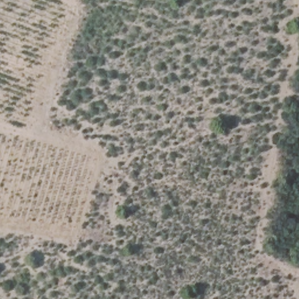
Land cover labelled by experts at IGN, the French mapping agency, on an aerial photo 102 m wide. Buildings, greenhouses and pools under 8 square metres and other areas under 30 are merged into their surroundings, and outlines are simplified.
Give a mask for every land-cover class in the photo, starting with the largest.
<instances>
[{"label":"herbaceous vegetation","instance_id":"1","mask_svg":"<svg viewBox=\"0 0 299 299\"><path fill-rule=\"evenodd\" d=\"M176 4L181 6L179 13L183 14V18L175 19L172 15L161 14L157 9L147 6L140 8L139 13L153 14L157 16V20L137 18L135 21H124L127 32L111 36L114 39L112 50L117 58L105 54L104 57L93 56L88 61L85 58L74 60L70 51L67 55V65L70 68L69 82L62 84L64 92L58 104L67 106L68 110H74L76 113L72 119L54 120L53 123L57 130L72 125L75 130L83 133L84 139H99V145L102 147L107 149L106 155L111 158L134 152L135 149H141L142 152L141 157H135L127 167L123 161L118 162L119 169L131 176L135 186L132 194L127 193V182L118 188V192L126 200L123 206L119 202L116 203L117 216L121 217L117 227L111 224L109 214H99V208L109 206L112 194L100 192L99 183H96L92 192L96 197L91 201L90 213L85 215L86 221L82 225V235L75 250H65L67 245L51 241L30 244L29 239H33V236L8 234L0 237V299H295L293 291H290L287 285L291 280L295 281V277L292 274L279 276V269H267L257 256L266 253L263 249L255 248L260 194L249 192L246 187H267L266 180L260 175L264 161L262 153L271 149L267 133L276 130L277 126L256 125V121L277 120V113L272 111L274 105L271 99L278 98L279 86L285 81L287 71L291 68V64L285 65L281 61L288 57L291 46H283L276 39L279 21L292 14V9L284 5L285 0H175Z\"/></svg>","mask_w":299,"mask_h":299},{"label":"vineyard","instance_id":"2","mask_svg":"<svg viewBox=\"0 0 299 299\"><path fill-rule=\"evenodd\" d=\"M64 18L61 0H0V113L6 112V117H11L16 102L27 93H32L33 84L21 86L9 83L19 82V78L11 76L12 70L26 65L32 68L33 65H41L37 61L41 56L37 51L46 49L47 46L35 43V47L23 46L21 41H26V36L30 33L39 35L36 40L39 41L49 37L53 29L58 27V20ZM107 149L102 147H86L84 153H77L69 151L68 147H54L29 138L20 139L19 135L7 138L4 133H0V237L8 234L33 236V239H29L30 244L51 241L67 245L65 250H75L82 235V225L86 221L85 215L90 213L91 201L96 197L92 192L96 183H99L100 192L112 194L109 206L99 208V214H109L111 224L117 227L121 217L117 216L116 203L119 202L123 206L126 200L118 192V188L127 182V193L132 194L135 186L131 176L119 169L118 162L123 161L127 167L135 157H141L142 152L141 149H135L134 152L111 158L106 155Z\"/></svg>","mask_w":299,"mask_h":299},{"label":"plowed land","instance_id":"3","mask_svg":"<svg viewBox=\"0 0 299 299\"><path fill-rule=\"evenodd\" d=\"M64 18L58 20V27L53 29L49 37L39 41L36 40L39 35L30 33L26 36V41H21L23 46L35 47V43L47 46L46 49L37 51L41 56L37 61L41 65H33L32 68L26 65L12 70L11 76L19 78V82L9 83L21 86L33 84L32 93H27L16 102L11 117H6V112L0 113V133H4L7 138L19 135L20 139L29 138L54 147H68L69 151L77 153H84L86 147H102L99 145V139H84L83 133L75 130L72 125L57 130L53 123L54 120L72 119L76 113L74 110H68L67 106L58 104L64 92L62 84L69 82L70 68L67 65V55L70 51L79 33V25L83 18L88 16L84 0H61Z\"/></svg>","mask_w":299,"mask_h":299},{"label":"deciduous trees","instance_id":"4","mask_svg":"<svg viewBox=\"0 0 299 299\"><path fill-rule=\"evenodd\" d=\"M274 105L272 111L277 113L279 109L283 110L281 117L286 125L281 132L273 135V142L278 148L280 169L276 180L273 181L276 197L273 207L266 214L269 225L264 228L266 239L263 249L266 253L280 259L281 262L299 267V91H293V95L286 97L284 102H279L278 98L271 99Z\"/></svg>","mask_w":299,"mask_h":299},{"label":"pervious surface","instance_id":"5","mask_svg":"<svg viewBox=\"0 0 299 299\"><path fill-rule=\"evenodd\" d=\"M284 5L292 9V14L279 21L276 39L283 46H291L288 57L281 61L285 65L291 64V68L287 71L285 81L279 86L278 98L279 102H284L286 97L293 95V91H299V0H285ZM283 110L279 109L277 113V120L256 121V125L277 126L276 130L267 133L271 149L262 153L264 161L260 175L266 180L267 187H246L249 192L260 194L255 248L263 249L266 239L264 228L269 225L266 214L273 207L276 197L273 181L276 180L280 169L278 148L273 142V135L281 132L286 125L281 117ZM257 256L267 269H279V276L292 274L295 277V281L291 280L287 285L290 291H293L295 299H299V267L281 262L280 259L266 253Z\"/></svg>","mask_w":299,"mask_h":299},{"label":"brushwood","instance_id":"6","mask_svg":"<svg viewBox=\"0 0 299 299\"><path fill-rule=\"evenodd\" d=\"M88 16L83 18L79 25V33L70 51L74 60L85 58L88 61L93 56L104 57L105 54L117 58L112 50L114 39L111 36L127 32L124 21H135L137 18L157 20V16L153 14L139 13L140 8L147 6L157 9L161 14L172 15L175 19L183 18V14L179 13L181 6L176 4L175 0H84Z\"/></svg>","mask_w":299,"mask_h":299}]
</instances>
